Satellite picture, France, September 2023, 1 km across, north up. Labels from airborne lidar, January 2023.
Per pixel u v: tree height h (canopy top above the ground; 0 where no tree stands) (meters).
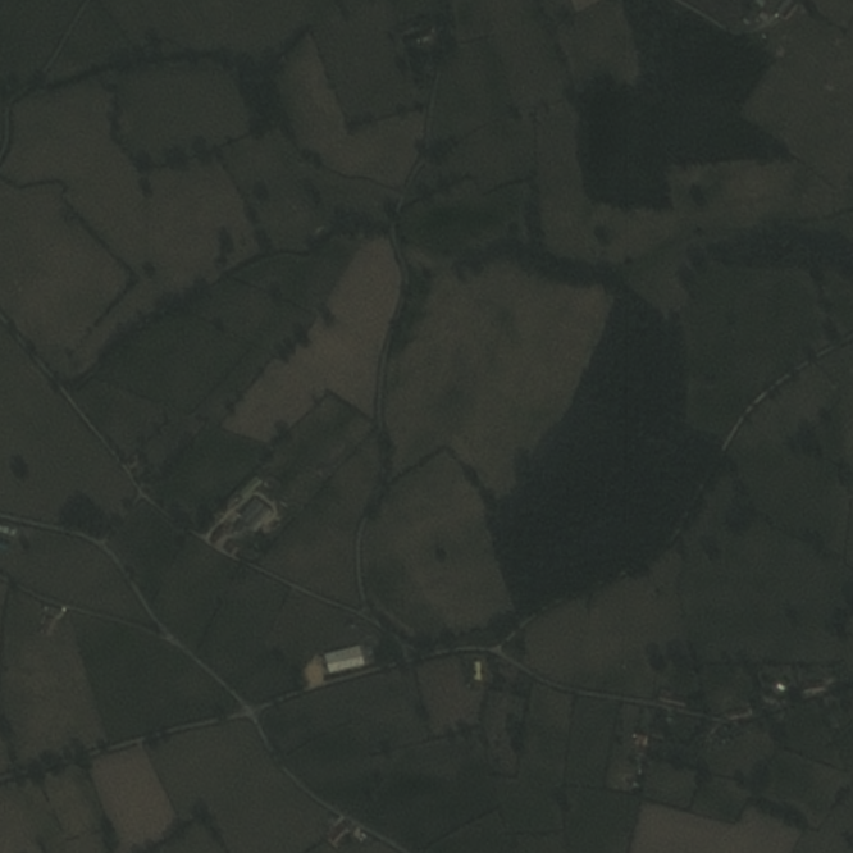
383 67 0
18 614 0
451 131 0
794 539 0
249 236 0
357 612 0
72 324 0
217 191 0
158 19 0
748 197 0
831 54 0
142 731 0
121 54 0
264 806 0
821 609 0
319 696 0
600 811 0
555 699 0
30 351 10
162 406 0
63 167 0
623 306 14
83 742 0
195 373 0
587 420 19
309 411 0
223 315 0
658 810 0
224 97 0
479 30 0
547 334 0
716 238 0
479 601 0
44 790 0
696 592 0
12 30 0
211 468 0
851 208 0
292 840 0
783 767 0
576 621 0
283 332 0
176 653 0
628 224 0
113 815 0
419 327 0
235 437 0
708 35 6
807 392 0
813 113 0
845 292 0
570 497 22
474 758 0
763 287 0
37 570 0
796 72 0
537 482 18
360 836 0
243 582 0
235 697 0
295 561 0
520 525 21
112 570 0
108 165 0
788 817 16
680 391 16
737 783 10
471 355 0
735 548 0
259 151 0
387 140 0
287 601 0
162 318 11
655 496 18
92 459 0
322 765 0
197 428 0
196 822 13
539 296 0
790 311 0
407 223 0
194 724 0
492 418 0
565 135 0
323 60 8
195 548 0
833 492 0
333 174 0
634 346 7
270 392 0
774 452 0
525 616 7
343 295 0
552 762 0
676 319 9
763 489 0
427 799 0
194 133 0
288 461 0
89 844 0
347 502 0
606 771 0
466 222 0
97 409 0
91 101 0
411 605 0
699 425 0
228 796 0
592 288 0
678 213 0
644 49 23
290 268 0
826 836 0
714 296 0
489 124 0
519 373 0
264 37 0
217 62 12
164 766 0
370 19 0
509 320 0
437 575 0
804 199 0
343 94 0
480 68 0
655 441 17
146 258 0
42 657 0
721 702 0
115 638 0
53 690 0
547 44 0
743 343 0
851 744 0
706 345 0
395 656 0
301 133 0
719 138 0
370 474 0
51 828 0
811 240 6
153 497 0
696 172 0
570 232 0
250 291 0
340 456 0
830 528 0
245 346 0
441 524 0
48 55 0
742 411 0
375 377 0
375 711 0
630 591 0
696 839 0
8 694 0
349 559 0
